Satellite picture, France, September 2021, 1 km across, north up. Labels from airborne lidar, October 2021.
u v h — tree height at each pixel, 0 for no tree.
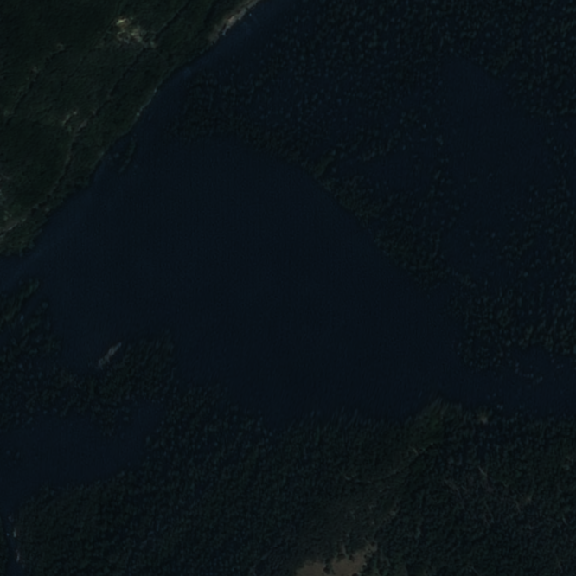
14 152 18
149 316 23
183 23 14
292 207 27
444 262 24
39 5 29
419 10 22
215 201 24
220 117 29
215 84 33
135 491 29
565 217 30
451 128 32
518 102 33
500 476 18
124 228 32
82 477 13
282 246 31
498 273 34
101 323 9
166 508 19
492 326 30
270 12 0
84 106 14
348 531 12
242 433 25
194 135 25
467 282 24
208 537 21
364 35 32
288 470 18
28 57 24
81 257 25
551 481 17
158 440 25
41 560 19
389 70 30
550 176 25
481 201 33
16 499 13
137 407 10
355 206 15
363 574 10
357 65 28
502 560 23
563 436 18
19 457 28
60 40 19
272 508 23
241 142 24
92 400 20
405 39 30
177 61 18
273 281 31
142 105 25
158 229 30
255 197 26
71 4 19
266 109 18
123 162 18
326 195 15
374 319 33
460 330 24
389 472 15
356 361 20
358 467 17
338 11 29
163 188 26
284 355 26
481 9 26
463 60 24
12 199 17
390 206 30
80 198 31
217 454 32
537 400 20
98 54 18
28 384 20
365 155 35
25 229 17
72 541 21
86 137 17
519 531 26
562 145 25
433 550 17
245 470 23
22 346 23
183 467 27
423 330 22
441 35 29
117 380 23
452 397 15
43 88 20
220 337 26
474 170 27
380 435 12
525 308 24
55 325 20
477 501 21
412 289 25
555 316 25
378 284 19
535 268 23
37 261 17
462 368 29
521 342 30
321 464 18
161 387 22
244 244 34
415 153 19
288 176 23
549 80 29
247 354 25
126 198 27
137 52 10
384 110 29
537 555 27
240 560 27
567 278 19
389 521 11
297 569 13
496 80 12
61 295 15
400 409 21
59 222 30
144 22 14
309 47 26
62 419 26
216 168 27
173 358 25
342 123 30
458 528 26
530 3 27
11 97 18
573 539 28
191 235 27
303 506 14
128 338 17
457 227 36
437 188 30
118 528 18
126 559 17
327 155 31
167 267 30
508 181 29
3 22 26
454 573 15
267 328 32
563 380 11
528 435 17
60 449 18
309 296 31
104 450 27
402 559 11
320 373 24
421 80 27
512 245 31
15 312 17
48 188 22
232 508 24
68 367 13
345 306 31
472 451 25
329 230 24
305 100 31
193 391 25
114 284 22
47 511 11
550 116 29
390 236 19
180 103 22
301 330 21
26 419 29
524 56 24
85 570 15
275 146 15
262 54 33
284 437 16
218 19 19
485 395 10
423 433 12
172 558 19
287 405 29
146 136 6
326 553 12
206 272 27
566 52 28
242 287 27
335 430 18
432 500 18
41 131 18
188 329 18
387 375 19
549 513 16
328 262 32
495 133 23
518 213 27
